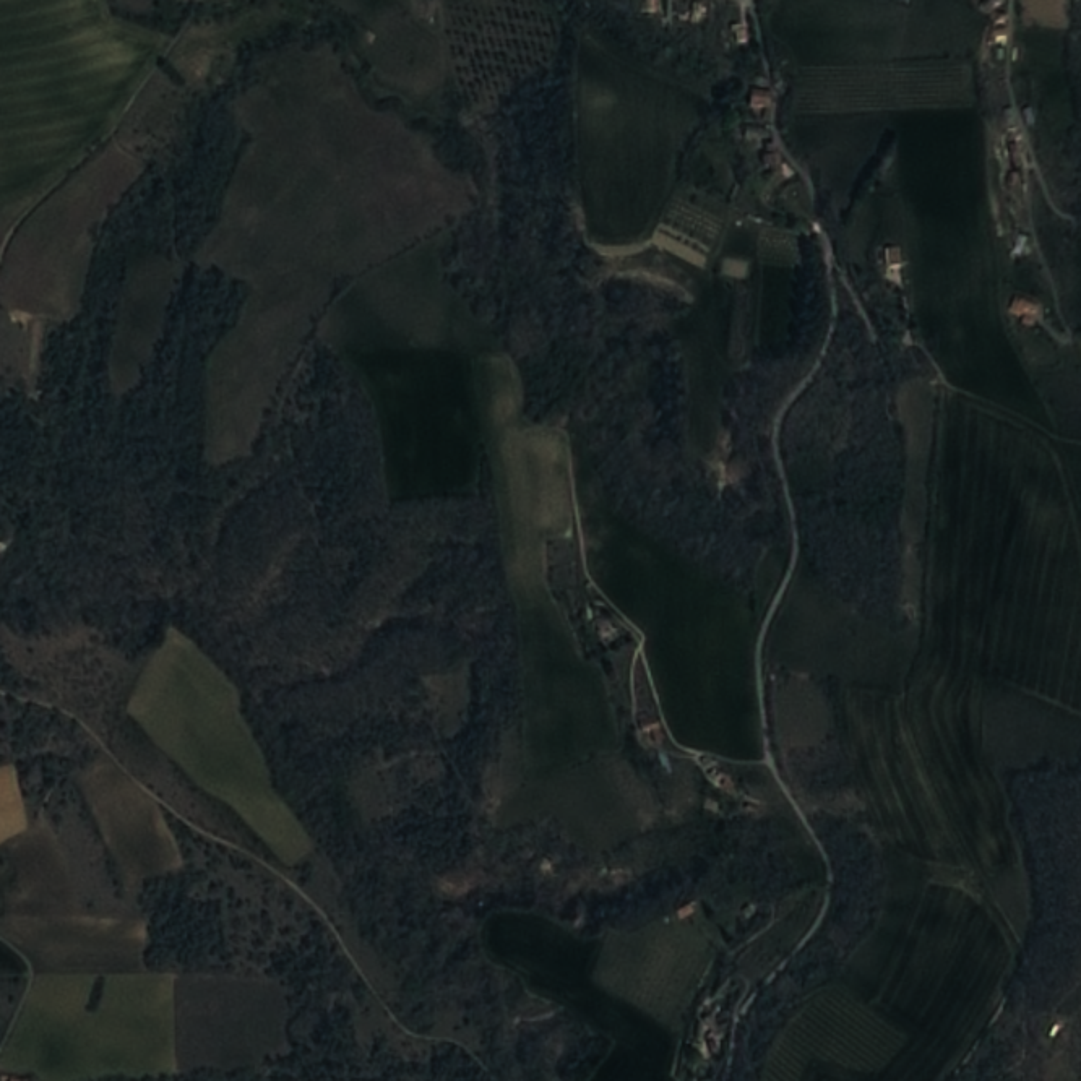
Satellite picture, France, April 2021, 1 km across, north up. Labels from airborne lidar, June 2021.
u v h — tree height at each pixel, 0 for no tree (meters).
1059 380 0
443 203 0
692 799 0
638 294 26
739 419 23
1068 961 17
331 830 17
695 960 0
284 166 0
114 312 6
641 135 0
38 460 15
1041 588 0
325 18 10
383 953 9
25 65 0
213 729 0
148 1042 0
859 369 15
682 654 0
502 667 19
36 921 0
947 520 0
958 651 0
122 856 0
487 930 0
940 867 0
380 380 0
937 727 0
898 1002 0
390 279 0
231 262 0
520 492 0
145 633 11
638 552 0
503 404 0
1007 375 0
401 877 18
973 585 0
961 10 0
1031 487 0
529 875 27
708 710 0
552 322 20
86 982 0
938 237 0
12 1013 0
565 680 0
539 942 0
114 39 0
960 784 0
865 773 0
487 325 6
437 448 0
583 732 0
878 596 17
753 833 21
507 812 0
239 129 9
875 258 0
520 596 0
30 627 16
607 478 13
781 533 16
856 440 9
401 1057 8
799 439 9
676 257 0
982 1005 0
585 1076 11
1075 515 0
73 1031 0
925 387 0
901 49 0
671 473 32
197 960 11
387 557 12
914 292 0
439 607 10
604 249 0
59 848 0
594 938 0
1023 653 0
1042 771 7
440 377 0
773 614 0
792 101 10
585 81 0
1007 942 0
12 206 0
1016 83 8
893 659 0
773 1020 9
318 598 14
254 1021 0
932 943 0
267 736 12
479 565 15
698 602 0
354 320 0
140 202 18
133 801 0
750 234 0
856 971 0
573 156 11
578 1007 0
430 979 12
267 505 12
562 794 0
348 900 10
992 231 0
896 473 16
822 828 15
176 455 8
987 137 0
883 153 10
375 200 0
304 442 10
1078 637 0
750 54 6
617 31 17
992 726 0
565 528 0
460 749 10
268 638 13
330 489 10
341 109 0
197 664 0
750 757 0
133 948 0
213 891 7
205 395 10
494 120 9
